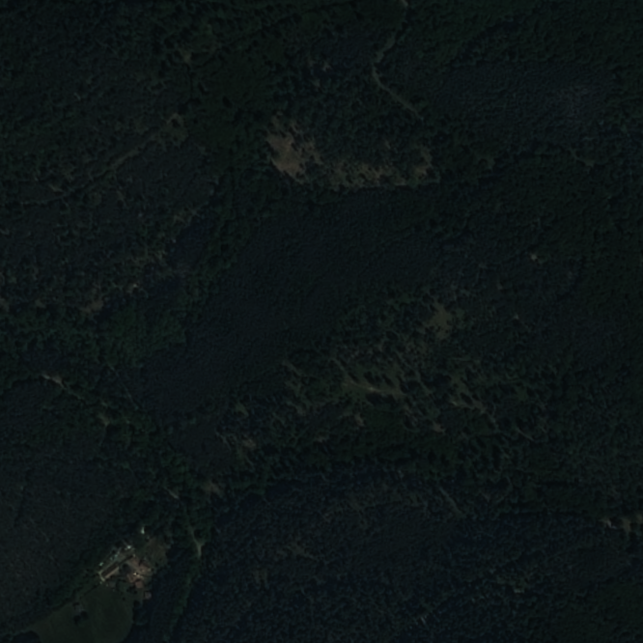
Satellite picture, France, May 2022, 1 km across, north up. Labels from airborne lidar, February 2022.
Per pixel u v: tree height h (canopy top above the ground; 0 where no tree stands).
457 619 27
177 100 11
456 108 15
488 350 8
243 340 20
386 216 17
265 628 35
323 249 18
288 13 10
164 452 26
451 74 15
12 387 27
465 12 26
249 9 8
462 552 30
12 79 15
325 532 31
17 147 14
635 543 29
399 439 10
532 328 20
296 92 29
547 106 11
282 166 0
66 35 9
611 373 28
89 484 26
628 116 33
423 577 14
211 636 27
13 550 20
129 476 21
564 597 19
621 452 25
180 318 26
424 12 12
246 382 15
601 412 27
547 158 25
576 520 32
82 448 26
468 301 11
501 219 12
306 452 30
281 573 11
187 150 10
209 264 29
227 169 16
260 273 17
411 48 14
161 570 8
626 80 25
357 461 35
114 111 9
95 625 0
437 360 8
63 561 20
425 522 8
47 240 12
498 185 24
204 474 10
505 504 8
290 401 34
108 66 12
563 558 27
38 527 20
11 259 12
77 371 28
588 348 22
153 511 21
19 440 18
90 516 21
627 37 24
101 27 7
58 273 17
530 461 27
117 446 25
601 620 20
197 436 12
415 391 29
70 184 9
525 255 9
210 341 22
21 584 17
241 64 19
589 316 23
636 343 24
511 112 14
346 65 11
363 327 11
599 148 13
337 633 29
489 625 30
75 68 11
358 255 20
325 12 35
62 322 25
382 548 13
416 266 18
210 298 21
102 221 12
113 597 0
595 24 24
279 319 20
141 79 7
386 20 13
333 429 12
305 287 12
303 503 28
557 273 10
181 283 29
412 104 22
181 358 23
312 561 10
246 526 24
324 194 14
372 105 11
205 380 23
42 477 25
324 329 18
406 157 27
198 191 13
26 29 10
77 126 13
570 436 22
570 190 24
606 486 28
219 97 11
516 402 12
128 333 22
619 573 12
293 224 19
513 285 11
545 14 30
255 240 19
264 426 7
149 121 12
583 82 11
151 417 25
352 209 18
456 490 32
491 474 33
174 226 9
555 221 22
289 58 11
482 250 11
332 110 29
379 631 28
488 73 18
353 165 28
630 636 25
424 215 17
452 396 30
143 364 23
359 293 12
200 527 20
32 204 12
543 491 27
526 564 30
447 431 11
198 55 12
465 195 24
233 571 35
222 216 20
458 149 12
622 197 28
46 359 28
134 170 10
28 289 11
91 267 24
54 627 0
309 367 29
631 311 22
